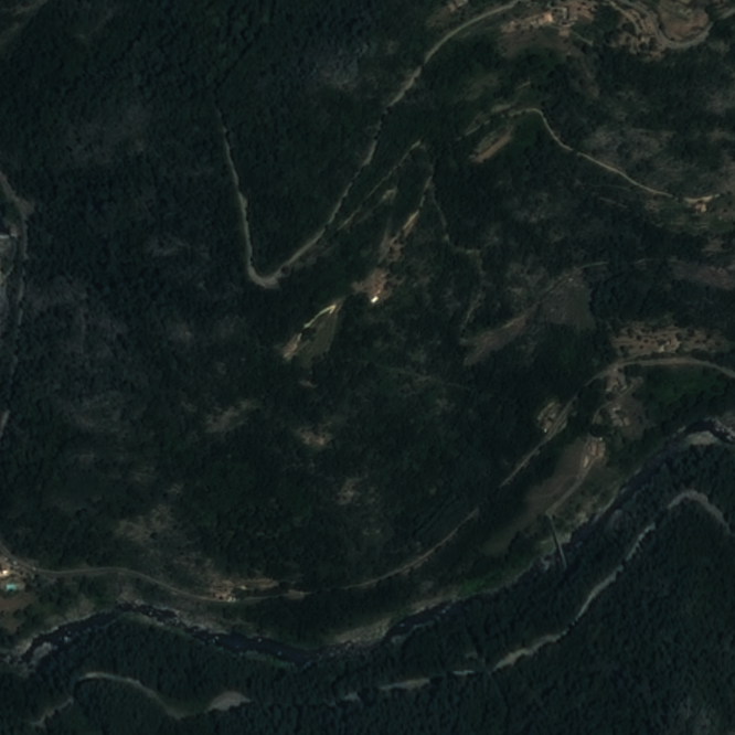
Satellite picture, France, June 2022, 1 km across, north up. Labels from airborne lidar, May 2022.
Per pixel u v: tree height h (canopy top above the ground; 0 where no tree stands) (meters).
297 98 10
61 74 15
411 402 8
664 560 19
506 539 0
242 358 13
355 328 7
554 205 8
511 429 17
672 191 11
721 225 0
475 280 8
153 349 14
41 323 9
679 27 0
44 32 22
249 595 11
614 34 14
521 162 9
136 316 18
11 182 15
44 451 11
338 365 8
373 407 6
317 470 11
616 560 20
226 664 17
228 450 16
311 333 7
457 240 17
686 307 7
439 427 13
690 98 9
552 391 9
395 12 7
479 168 12
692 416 23
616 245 20
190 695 25
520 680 20
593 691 21
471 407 23
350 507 9
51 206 15
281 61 10
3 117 16
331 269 12
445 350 11
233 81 19
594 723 21
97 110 11
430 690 21
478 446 20
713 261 7
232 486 19
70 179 15
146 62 9
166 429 13
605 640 16
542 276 7
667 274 10
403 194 12
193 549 6
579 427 12
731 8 7
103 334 5
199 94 14
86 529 16
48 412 10
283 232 7
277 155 14
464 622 27
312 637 15
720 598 11
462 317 6
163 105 8
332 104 9
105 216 34
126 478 11
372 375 12
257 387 13
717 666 29
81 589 12
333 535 10
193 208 9
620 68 10
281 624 13
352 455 9
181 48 18
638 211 8
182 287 10
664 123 11
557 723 13
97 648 23
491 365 11
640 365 6
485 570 13
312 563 8
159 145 10
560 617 26
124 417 10
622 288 14
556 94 9
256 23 18
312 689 27
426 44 13
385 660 15
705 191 8
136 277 14
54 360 16
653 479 11
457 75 16
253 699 18
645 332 10
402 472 14
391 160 9
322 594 18
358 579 8
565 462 0
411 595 9
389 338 11
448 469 21
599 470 0
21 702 33
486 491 23
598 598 12
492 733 18
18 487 10
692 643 10
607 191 9
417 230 7
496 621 21
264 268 7
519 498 15
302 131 13
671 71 8
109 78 8
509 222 11
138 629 15
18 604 0
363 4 6
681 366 0
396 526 12
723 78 11
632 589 10
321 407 13
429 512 16
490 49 14
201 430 12
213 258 10
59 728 9
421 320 12
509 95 11
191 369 10
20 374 13
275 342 11
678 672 13
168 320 8
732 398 8
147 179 6
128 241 20
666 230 9
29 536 10
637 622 13
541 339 7
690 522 6
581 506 9
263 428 13
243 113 17
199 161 12
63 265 15
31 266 16
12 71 20
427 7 13
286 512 15
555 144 11
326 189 7
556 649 18
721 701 8
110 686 22
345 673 11
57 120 10
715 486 27
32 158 16
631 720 11
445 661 23
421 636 14
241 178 9
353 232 10
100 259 20
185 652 25
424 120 16
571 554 11
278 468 11
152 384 10
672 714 26
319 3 18
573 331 6
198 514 13
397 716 37
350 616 11
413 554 10
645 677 13
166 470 8
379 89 7
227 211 16
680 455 9
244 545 10
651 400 13
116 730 28
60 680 26
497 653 19
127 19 6
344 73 13
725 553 16
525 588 20
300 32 13
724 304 10
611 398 8
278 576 14
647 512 11
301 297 9
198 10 29
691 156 9
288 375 14
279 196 7
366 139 9
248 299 8
